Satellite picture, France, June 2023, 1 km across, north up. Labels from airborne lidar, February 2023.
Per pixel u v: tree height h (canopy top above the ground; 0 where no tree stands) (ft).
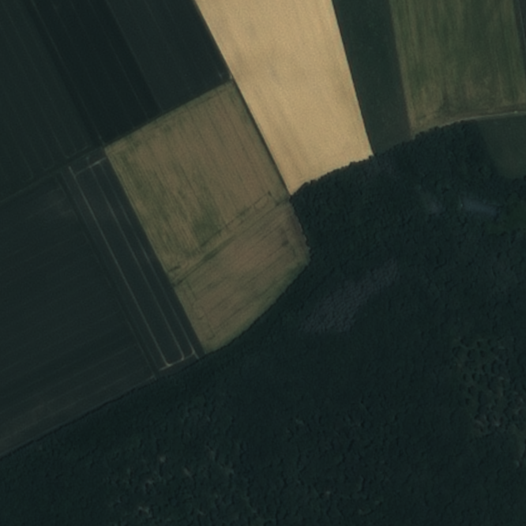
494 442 81
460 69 0
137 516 48
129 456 79
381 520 58
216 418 85
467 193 61
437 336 74
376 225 74
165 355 0
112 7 0
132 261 0
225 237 0
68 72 0
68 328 0
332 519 70
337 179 37
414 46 0
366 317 76
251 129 0
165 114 0
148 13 0
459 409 48
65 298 0
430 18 0
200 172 0
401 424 80
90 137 0
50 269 0
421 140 44
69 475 77
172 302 0
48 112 0
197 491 74
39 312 0
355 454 84
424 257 89
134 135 0
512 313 93
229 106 0
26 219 0
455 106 0
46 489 76
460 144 42
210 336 0
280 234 0
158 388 57
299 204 75
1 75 0
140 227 0
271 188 0
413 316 87
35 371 0
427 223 83
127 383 0
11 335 0
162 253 0
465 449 63
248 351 35
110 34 0
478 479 67
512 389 68
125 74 0
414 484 84
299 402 63
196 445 57
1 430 0
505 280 90
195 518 92
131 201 0
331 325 71
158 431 77
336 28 0
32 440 0
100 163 0
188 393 46
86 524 77
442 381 79
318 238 28
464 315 80
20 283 0
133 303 0
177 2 0
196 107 0
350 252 39
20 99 0
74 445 44
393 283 68
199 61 0
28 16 0
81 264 0
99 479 74
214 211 0
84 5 0
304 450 78
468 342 74
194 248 0
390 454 71
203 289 0
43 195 0
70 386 0
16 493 81
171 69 0
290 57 0
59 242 0
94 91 0
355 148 0
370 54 0
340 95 0
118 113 0
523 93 0
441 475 77
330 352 84
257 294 0
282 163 0
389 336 83
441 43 0
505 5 0
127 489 58
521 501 53
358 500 82
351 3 0
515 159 0
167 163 0
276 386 89
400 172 56
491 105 0
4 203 0
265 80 0
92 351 0
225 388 74
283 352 75
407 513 73
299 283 48
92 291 0
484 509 82
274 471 84
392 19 0
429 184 52
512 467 79
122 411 63
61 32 0
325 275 60
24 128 0
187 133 0
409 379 53
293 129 0
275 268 0
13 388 0
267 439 86
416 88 0
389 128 0
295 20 0
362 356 81
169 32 0
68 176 0
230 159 0
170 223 0
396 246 81
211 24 0
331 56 0
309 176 0
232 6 0
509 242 76
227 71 0
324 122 0
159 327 0
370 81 0
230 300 0
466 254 89
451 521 79
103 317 0
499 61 0
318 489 91
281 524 81
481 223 59
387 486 75
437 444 80
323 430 84
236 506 74
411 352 81
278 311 40
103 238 0
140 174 0
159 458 76
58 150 0
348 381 82
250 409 83
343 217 46
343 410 81
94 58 0
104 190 0
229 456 77
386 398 87
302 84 0
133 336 0
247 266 0
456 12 0
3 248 0
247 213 0
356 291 71
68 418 0
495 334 79
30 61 0
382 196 72
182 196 0
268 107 0
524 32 0
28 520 88
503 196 70
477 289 78
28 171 0
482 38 0
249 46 0
